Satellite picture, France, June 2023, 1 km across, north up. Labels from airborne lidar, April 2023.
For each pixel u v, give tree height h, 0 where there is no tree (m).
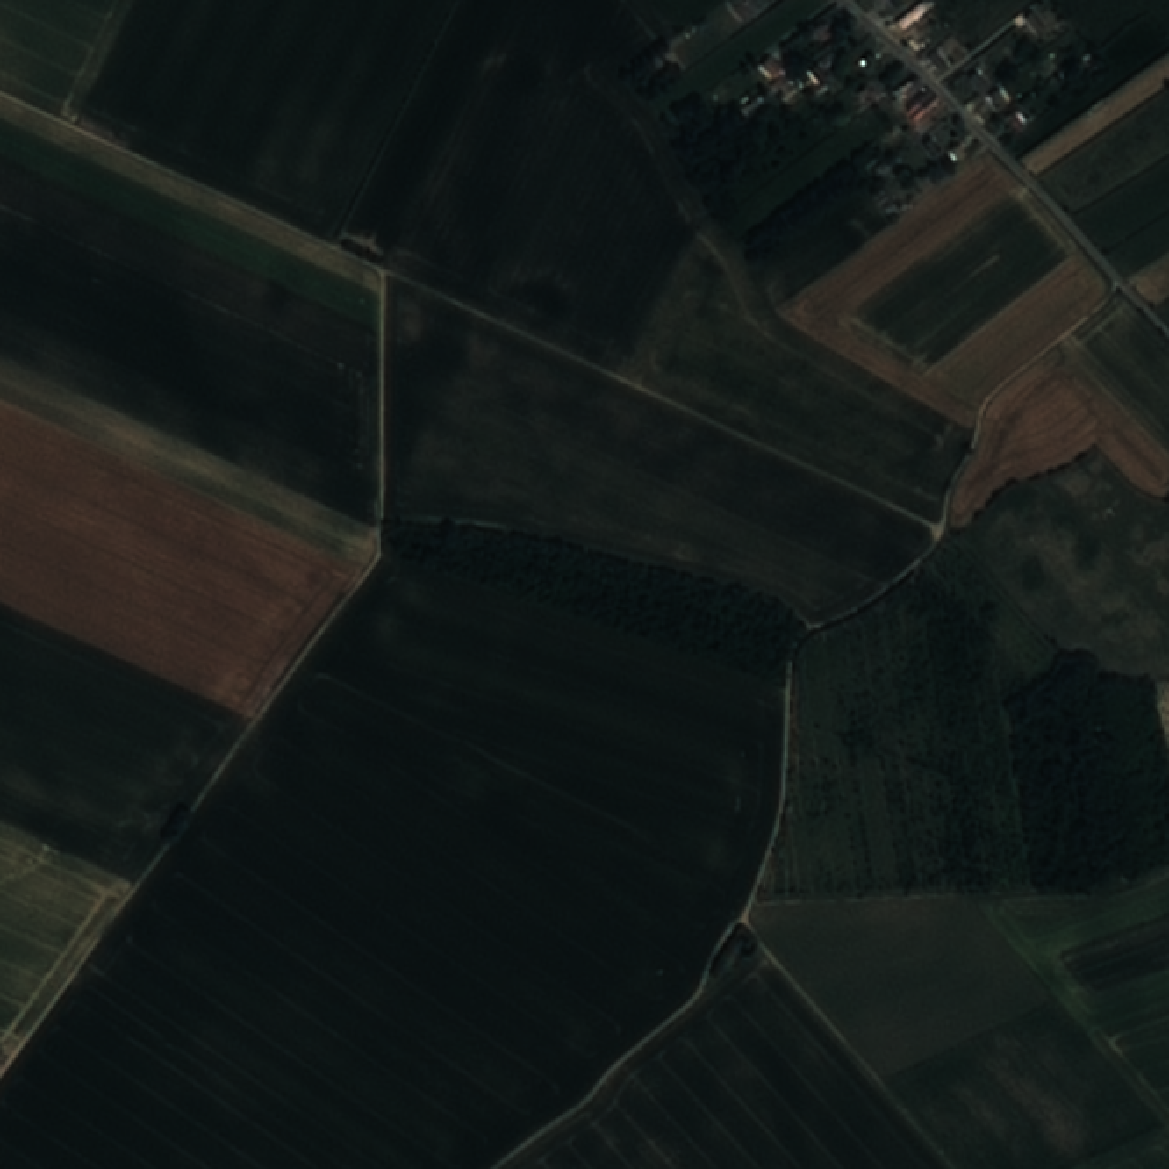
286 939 0
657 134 0
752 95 11
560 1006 0
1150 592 0
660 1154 0
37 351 0
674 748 0
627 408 0
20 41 0
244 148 0
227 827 0
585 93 0
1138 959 0
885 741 0
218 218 0
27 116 0
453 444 0
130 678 0
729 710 0
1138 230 0
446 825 0
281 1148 0
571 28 0
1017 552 0
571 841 0
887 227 0
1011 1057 0
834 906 0
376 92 0
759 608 10
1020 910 0
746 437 0
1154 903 0
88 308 0
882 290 0
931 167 10
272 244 0
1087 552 0
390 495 0
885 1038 0
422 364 0
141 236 0
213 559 0
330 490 0
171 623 0
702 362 0
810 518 0
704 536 0
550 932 0
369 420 0
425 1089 0
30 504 0
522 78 0
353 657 0
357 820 0
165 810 0
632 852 0
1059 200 0
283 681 0
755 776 0
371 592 0
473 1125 0
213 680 0
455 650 0
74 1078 0
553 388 0
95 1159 0
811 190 9
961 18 0
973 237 0
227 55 0
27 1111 0
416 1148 0
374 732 0
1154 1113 0
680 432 0
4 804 0
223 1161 0
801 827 0
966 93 0
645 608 13
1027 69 0
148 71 0
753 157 10
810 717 0
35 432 0
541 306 0
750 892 0
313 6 0
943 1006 0
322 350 0
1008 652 0
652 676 0
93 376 0
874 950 0
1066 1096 0
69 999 0
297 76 0
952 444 0
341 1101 0
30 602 0
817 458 0
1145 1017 0
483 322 0
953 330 0
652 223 0
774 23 0
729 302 0
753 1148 0
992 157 0
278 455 0
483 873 0
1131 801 11
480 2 0
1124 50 0
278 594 0
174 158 0
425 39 0
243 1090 0
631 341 0
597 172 0
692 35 0
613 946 0
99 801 0
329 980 0
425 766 0
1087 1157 0
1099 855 16
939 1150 0
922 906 0
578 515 0
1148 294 0
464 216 0
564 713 0
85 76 0
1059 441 0
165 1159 0
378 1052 0
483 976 0
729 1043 0
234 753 0
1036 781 13
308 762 0
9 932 0
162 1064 0
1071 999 0
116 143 0
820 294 0
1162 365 0
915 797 0
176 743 0
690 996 0
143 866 0
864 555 0
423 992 0
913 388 0
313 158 0
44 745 0
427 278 0
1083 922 0
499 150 0
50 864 0
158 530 0
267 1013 0
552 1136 0
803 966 0
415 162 0
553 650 0
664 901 0
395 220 0
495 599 0
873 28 0
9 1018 0
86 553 0
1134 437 0
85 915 0
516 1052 0
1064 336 0
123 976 0
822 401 0
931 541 0
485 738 0
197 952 0
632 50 0
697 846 0
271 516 0
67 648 0
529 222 0
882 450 0
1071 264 0
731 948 8
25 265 0
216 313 0
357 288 0
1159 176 0
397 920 0
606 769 0
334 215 0
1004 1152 0
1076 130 0
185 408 0
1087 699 14
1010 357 0
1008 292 0
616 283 0
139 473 0
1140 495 0
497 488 0
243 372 0
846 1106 0
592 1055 0
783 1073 0
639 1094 0
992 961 0
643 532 0
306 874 0
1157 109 0
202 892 0
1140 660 0
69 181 0
